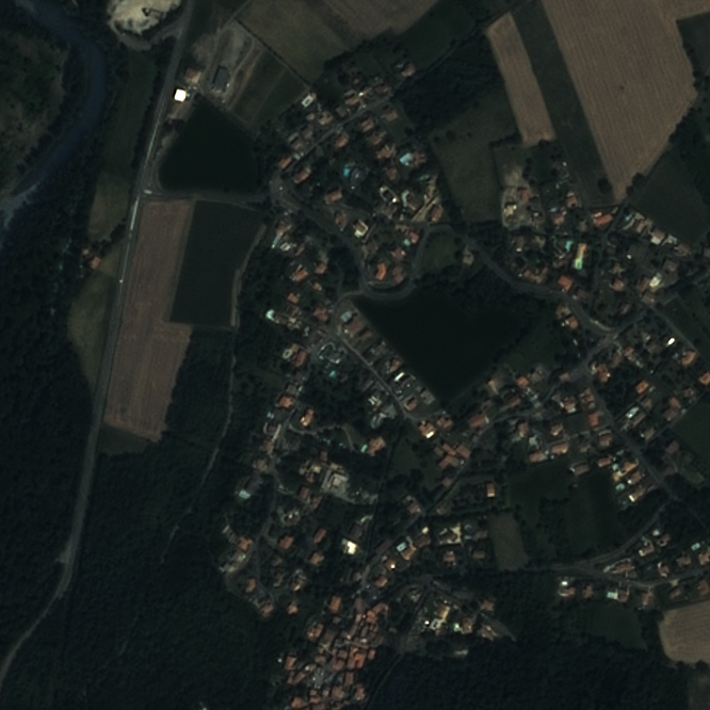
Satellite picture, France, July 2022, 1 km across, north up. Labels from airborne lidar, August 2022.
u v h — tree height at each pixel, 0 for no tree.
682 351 0
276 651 7
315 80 0
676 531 7
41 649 12
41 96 6
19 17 27
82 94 13
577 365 9
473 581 15
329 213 0
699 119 0
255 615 6
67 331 13
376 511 7
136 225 0
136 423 0
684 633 0
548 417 0
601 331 0
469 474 6
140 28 0
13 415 19
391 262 0
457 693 24
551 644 18
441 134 0
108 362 0
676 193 0
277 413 0
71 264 26
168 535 12
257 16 0
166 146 0
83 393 22
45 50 0
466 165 0
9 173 0
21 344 17
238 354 15
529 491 0
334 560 13
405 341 0
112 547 10
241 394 9
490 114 0
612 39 0
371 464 16
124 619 11
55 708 10
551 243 8
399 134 0
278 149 7
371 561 8
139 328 0
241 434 11
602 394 10
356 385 10
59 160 0
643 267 0
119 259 0
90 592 15
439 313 0
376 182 6
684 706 10
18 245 29
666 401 8
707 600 0
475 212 0
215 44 0
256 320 16
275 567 9
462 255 8
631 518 10
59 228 31
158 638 12
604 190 10
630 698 26
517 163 0
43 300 23
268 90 0
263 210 12
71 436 26
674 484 21
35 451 33
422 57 0
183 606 12
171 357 0
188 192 0
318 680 0
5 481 22
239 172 0
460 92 13
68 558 0
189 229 0
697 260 11
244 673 9
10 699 6
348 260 22
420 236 6
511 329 0
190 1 0
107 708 15
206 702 9
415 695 10
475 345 0
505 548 0
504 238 10
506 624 14
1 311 16
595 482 0
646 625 7
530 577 15
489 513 10
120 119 0
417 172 9
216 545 6
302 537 10
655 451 8
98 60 0
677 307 0
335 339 0
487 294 20
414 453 8
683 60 0
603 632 0
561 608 8
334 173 8
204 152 0
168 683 14
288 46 0
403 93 12
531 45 0
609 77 0
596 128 0
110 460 12
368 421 15
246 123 0
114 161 0
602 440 0
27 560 15
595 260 8
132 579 13
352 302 0
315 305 9
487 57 6
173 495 6
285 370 13
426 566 10
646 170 0
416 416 0
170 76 0
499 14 0
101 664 10
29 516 19
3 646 13
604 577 0
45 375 21
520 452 0
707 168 0
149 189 0
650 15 0
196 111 0
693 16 0
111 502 14
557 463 0
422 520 8
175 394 13
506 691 14
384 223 14
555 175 14
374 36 0
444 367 0
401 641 0
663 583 0
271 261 6
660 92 0
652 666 17
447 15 0
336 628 11
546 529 8
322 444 15
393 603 9
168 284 0
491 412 0
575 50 0
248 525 16
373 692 7
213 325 0
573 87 0
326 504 6
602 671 17
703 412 0
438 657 10
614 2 0
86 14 26
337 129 0
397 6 0
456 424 11
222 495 8
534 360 0
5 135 6
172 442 10
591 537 0
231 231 0
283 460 10
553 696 19
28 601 20
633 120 0
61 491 29
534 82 0
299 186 10
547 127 0
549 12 0
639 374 11
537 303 9
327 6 0
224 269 0
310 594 13
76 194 24
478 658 17
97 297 0
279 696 8
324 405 15
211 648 7
